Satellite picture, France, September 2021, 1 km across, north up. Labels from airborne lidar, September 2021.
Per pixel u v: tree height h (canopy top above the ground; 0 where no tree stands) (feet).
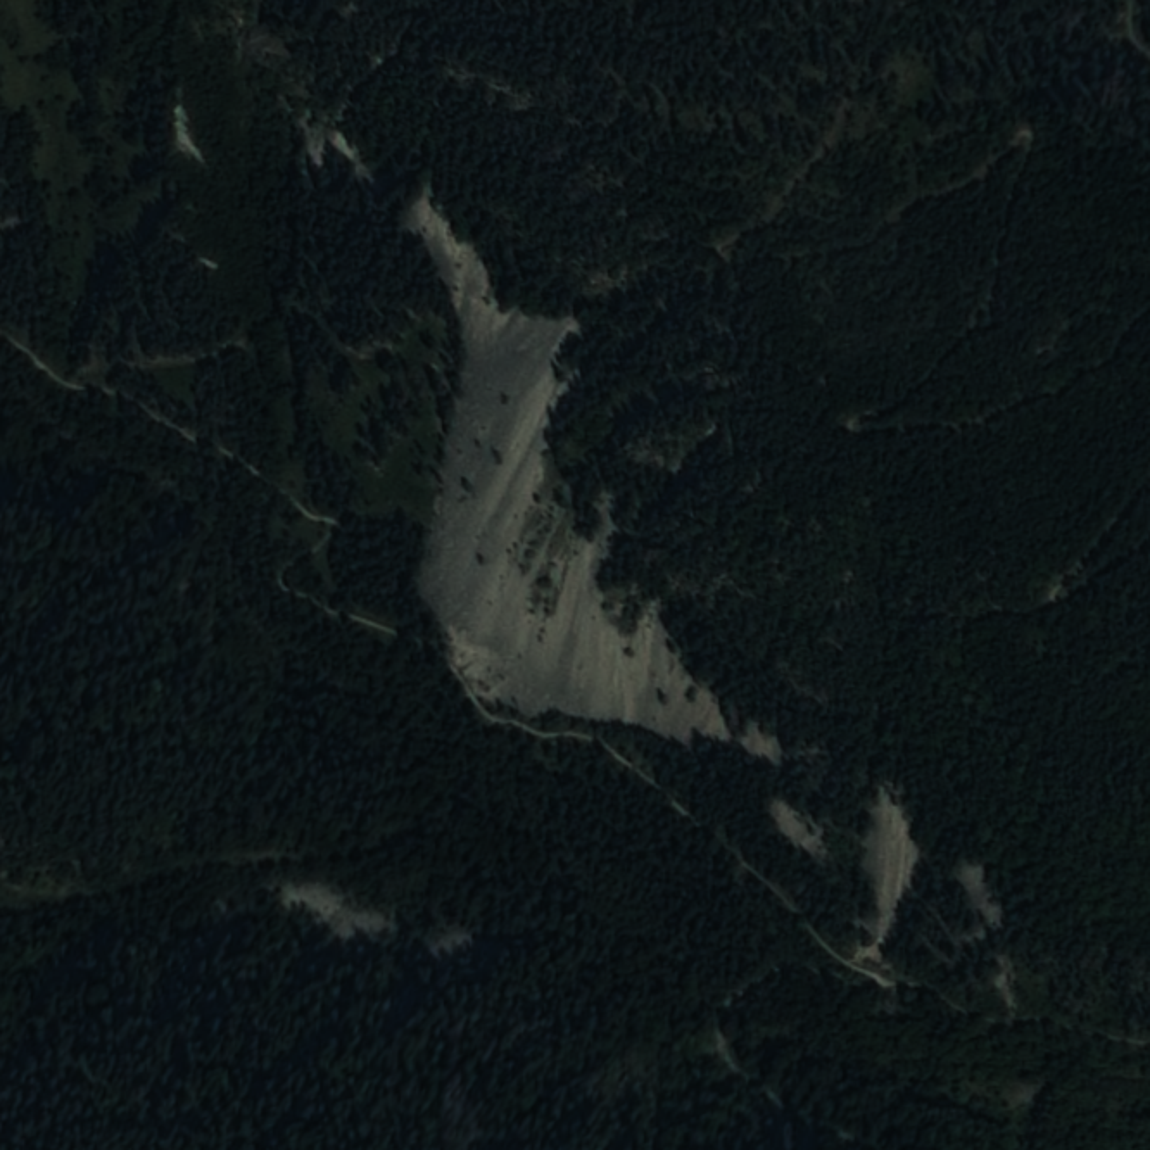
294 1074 81
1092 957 71
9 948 32
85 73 69
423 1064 43
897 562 79
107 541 46
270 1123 69
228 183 29
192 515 64
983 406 37
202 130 31
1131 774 68
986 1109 73
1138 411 43
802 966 35
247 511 39
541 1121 35
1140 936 77
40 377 32
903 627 66
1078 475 51
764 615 42
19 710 68
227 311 67
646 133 79
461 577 0
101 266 20
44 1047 28
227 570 61
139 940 42
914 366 45
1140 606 65
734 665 92
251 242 33
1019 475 52
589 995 73
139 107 57
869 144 30
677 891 51
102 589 73
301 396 48
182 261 65
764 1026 62
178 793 66
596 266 48
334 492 91
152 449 27
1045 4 68
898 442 61
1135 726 56
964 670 52
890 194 36
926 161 33
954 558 45
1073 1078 60
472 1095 34
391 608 27
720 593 23
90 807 29
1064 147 47
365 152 21
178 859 79
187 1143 110
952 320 58
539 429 0
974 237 64
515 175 50
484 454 0
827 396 35
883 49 32
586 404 71
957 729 52
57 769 71
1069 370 41
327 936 45
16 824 104
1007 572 65
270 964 24
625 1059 73
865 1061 92
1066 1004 56
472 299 0
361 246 110
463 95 55
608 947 89
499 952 49
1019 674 48
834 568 55
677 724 0
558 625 0
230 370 67
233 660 26
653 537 50
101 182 42
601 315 27
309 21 114
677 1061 54
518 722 47
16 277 79
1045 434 31
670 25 52
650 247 48
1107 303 36
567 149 69
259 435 58
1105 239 56
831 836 34
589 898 37
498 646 0
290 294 82
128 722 83
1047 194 49
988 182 33
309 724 57
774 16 80
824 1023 54
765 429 76
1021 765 76
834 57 27
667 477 31
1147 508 67
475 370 0
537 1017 61
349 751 61
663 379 51
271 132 48
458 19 68
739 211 46
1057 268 43
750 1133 68
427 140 34
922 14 24
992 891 40
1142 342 60
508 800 20
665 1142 84
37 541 74
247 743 76
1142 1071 38
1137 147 31
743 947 44
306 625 59
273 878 40
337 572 25
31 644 76
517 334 0
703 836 40
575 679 0
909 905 50
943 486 32
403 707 46
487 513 0
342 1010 23
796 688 28
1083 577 29
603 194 22
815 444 63
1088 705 77
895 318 52
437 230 0
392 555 83
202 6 46
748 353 73
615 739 63
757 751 0
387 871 46
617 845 87
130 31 27
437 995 130
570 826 55
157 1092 25
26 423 61
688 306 82
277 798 82
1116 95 78
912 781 65
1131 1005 20
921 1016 85
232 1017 105
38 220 28
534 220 87
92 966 35
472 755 38
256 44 0
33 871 28
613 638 0
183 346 86
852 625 63
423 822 52
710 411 63
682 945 51
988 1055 49
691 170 87
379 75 37
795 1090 87
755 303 63
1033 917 73
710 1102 76
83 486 30
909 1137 83
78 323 28
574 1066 80
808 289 40
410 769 27
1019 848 52
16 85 0
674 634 76
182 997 37
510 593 0
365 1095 64
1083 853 95
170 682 52
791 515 63
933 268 47
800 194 35
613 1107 25
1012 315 69
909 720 90
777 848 53
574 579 0
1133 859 57
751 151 107
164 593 100
